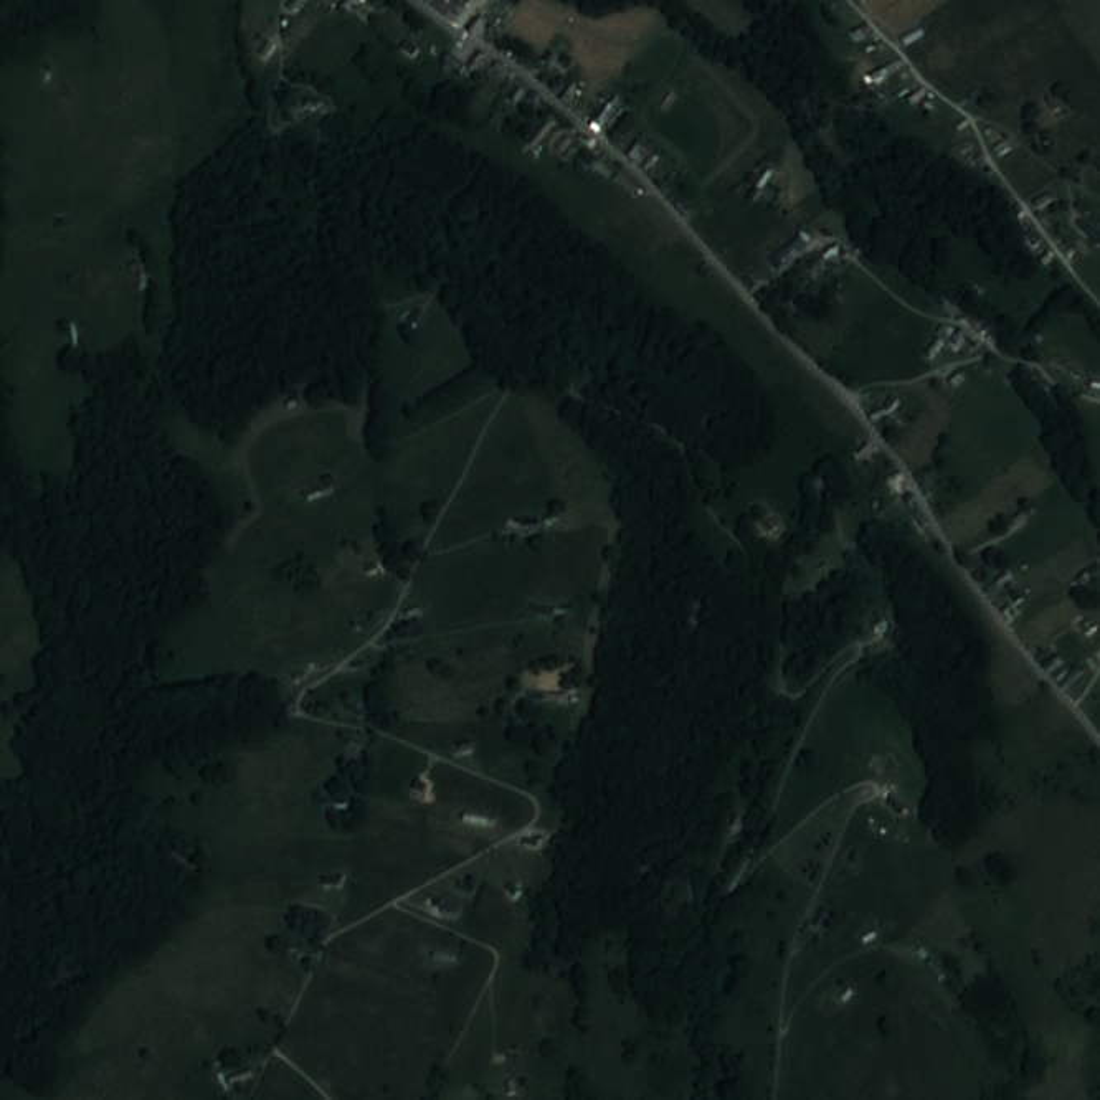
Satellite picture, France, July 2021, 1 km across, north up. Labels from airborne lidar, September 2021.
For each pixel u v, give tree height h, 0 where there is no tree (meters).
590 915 25
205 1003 0
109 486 23
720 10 0
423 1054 0
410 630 25
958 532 0
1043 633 0
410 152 21
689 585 27
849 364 0
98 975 27
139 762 20
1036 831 0
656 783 20
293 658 0
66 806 31
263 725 21
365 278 23
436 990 0
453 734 0
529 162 0
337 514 0
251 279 20
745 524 13
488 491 0
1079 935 0
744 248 0
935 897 0
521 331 22
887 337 0
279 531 0
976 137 0
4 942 22
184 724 27
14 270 0
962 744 20
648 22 0
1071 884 0
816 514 17
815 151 14
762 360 0
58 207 0
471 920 0
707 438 20
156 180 0
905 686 21
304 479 0
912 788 0
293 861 0
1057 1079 0
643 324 35
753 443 24
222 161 15
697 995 18
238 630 0
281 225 18
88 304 0
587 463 0
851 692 0
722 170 0
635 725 26
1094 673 0
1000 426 0
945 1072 0
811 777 0
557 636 8
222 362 30
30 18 32
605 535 0
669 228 0
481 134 0
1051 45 0
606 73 0
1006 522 15
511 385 15
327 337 23
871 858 0
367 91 0
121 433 25
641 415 19
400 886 0
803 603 13
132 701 25
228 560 0
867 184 26
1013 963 0
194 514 10
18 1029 29
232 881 0
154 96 0
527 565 0
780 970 0
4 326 0
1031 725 0
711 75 0
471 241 33
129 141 0
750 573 9
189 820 0
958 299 13
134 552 23
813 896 0
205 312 20
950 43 0
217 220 9
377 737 14
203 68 0
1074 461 26
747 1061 10
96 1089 0
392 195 25
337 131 10
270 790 0
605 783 22
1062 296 20
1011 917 0
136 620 26
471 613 0
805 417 0
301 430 0
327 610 0
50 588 13
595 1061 0
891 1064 0
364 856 0
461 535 0
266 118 8
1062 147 0
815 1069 0
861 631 11
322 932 23
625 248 0
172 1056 0
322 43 0
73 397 0
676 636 15
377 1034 0
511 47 13
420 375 0
